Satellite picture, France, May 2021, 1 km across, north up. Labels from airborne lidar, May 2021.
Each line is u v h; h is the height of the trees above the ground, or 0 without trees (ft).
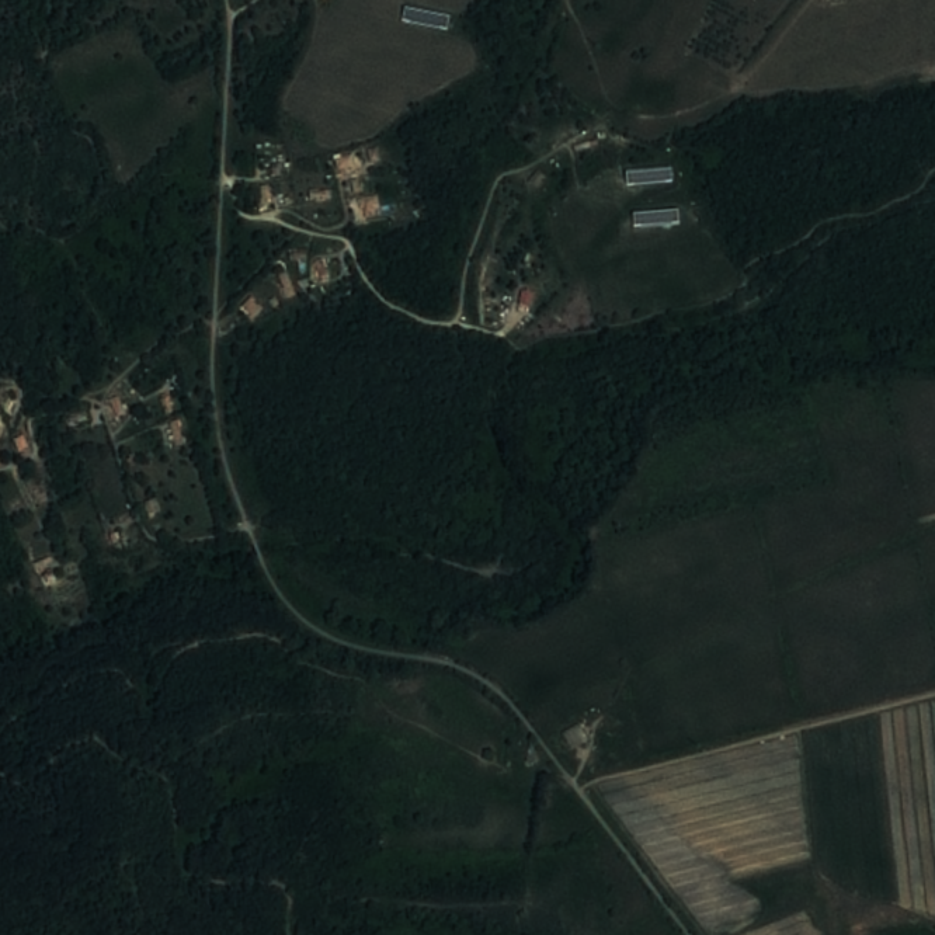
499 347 29
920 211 18
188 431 0
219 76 28
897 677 0
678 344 31
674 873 0
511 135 32
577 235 0
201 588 35
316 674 19
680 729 0
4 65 28
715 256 0
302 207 0
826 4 0
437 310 18
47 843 47
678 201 0
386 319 34
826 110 26
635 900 0
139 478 40
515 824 0
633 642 0
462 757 0
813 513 0
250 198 22
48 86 31
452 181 19
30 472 40
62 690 36
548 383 22
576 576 39
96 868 45
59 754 38
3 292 43
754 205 28
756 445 0
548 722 0
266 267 19
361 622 41
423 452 19
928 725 0
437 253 33
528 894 0
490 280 0
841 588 0
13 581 36
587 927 0
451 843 0
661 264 0
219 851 48
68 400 42
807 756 0
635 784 0
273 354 35
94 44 0
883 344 44
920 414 0
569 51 0
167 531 37
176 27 0
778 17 0
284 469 20
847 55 0
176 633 30
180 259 27
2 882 30
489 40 29
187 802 51
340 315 36
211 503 30
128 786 38
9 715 43
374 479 25
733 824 0
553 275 0
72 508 25
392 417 28
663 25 0
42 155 30
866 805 0
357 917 36
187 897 48
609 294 0
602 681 0
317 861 22
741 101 26
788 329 55
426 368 33
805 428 0
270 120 44
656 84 0
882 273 18
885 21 0
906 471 0
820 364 31
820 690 0
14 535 24
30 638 33
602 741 0
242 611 43
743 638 0
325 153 0
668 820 0
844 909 0
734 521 0
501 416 54
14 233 38
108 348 35
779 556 0
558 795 0
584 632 0
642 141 21
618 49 0
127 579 23
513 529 25
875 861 0
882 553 0
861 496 0
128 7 31
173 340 41
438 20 0
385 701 0
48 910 29
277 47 41
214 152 22
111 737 42
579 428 27
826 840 0
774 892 0
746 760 0
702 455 0
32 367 45
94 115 0
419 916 30
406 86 0
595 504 46
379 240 31
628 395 33
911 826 0
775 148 22
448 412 26
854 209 29
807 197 31
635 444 40
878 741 0
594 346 20
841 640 0
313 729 31
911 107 29
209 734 19
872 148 31
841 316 43
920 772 0
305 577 0
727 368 26
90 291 17
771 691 0
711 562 0
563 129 0
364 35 0
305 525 18
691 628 0
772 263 31
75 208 39
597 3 27
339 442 31
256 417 36
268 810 31
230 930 37
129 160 0
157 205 40
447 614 44
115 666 20
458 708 0
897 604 0
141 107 0
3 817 41
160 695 46
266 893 34
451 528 43
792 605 0
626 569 0
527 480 66
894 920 0
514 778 0
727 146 28
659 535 0
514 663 0
